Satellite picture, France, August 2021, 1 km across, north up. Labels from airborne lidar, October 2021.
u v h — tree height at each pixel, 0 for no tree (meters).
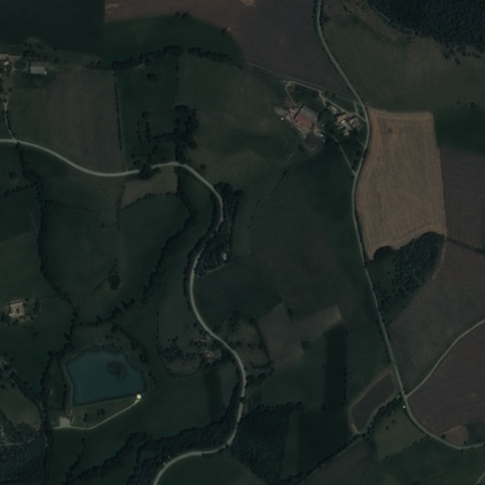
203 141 0
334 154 0
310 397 0
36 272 0
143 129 0
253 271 0
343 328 0
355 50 0
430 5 14
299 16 0
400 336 0
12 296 0
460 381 0
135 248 0
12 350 0
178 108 13
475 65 0
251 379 14
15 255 0
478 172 0
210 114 0
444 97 0
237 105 0
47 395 21
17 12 0
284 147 0
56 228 0
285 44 0
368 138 0
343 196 0
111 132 0
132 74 0
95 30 0
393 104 0
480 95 0
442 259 0
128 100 0
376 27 0
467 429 0
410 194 0
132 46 0
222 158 0
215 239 12
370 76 0
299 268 0
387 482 0
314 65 0
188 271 11
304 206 0
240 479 0
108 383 0
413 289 7
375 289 11
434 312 0
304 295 0
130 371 0
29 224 0
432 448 0
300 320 0
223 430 10
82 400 0
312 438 0
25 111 0
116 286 13
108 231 0
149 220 0
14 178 12
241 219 0
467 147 0
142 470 13
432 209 0
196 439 16
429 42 0
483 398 0
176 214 0
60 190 0
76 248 0
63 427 0
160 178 0
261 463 12
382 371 0
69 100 0
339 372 0
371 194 0
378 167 0
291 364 0
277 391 0
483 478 0
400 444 0
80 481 20
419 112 0
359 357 0
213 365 8
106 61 0
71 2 0
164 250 14
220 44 0
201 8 0
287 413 10
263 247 0
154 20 0
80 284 0
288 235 0
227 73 0
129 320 0
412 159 0
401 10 13
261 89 0
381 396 0
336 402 0
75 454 0
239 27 0
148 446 16
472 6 18
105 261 0
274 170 0
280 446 13
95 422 0
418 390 0
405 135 0
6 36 0
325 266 0
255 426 16
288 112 0
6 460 10
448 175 0
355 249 0
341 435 0
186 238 0
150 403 0
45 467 20
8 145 0
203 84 0
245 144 0
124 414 0
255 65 0
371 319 0
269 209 0
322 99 0
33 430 6
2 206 0
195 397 0
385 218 0
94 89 0
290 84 0
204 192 0
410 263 9
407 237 0
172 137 13
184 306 0
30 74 6
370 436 6
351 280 0
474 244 0
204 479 0
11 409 0
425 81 0
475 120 0
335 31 0
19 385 17
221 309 0
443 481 0
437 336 0
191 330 0
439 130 0
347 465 0
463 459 0
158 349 8
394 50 0
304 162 0
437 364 0
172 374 7
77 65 0
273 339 0
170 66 0
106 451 0
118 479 0
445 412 0
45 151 0
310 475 12
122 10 0
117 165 0
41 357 0
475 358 0
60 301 0
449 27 11
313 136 0
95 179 0
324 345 0
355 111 0
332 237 0
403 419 0
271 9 0
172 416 0
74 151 0
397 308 0
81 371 0
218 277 0
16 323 8
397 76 0
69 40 0
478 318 0
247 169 0
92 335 0
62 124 0
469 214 0
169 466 0
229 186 19
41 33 0
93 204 0
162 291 0
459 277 0
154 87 0
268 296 0
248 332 0
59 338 0
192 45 0
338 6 0
